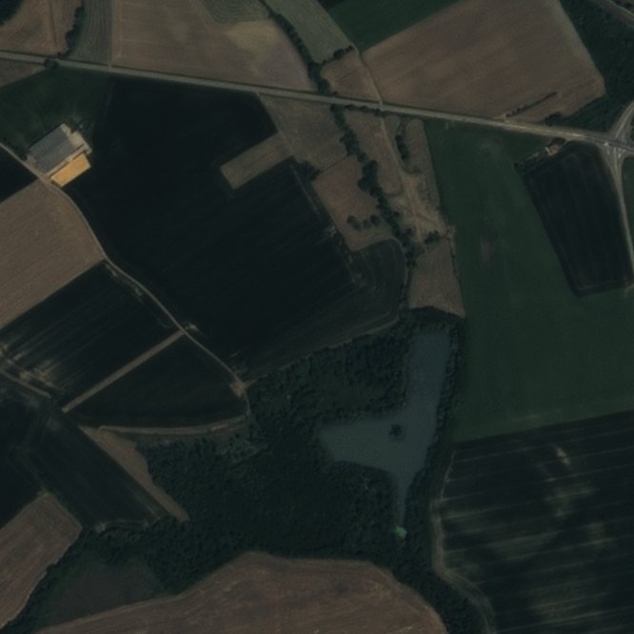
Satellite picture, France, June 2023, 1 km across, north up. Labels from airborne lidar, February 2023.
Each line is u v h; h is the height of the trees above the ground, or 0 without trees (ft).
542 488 0
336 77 0
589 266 0
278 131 0
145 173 0
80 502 0
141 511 0
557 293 0
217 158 0
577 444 0
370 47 0
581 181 0
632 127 0
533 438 0
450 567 0
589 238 0
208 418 0
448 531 0
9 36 0
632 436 0
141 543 40
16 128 0
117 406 0
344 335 0
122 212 0
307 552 44
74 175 0
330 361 68
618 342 0
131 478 0
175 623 0
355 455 0
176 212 0
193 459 71
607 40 21
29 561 0
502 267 0
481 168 0
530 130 0
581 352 0
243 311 0
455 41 0
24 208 0
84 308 0
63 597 0
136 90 0
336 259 0
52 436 0
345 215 0
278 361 0
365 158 56
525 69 0
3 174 0
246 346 0
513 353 0
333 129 0
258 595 0
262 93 0
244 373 0
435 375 0
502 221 0
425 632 0
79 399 0
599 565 0
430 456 33
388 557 56
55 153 0
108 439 0
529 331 0
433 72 0
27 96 0
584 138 0
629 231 0
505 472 0
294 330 0
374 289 0
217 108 0
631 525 0
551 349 0
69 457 0
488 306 0
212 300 0
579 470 0
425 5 0
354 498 36
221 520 74
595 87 0
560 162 0
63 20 0
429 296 0
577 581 0
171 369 0
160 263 0
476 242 0
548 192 0
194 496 58
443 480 0
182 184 0
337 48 0
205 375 0
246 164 0
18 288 0
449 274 0
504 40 0
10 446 0
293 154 0
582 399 0
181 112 0
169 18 0
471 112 0
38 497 0
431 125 0
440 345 0
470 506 0
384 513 71
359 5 0
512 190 0
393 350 96
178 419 0
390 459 0
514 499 0
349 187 0
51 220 0
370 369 92
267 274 0
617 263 0
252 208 0
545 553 0
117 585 0
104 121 0
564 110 0
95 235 0
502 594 0
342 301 0
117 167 0
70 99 0
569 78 0
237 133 0
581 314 0
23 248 0
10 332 0
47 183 0
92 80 0
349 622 0
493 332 0
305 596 0
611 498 0
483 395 0
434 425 0
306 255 0
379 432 0
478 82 0
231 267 0
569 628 0
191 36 0
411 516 59
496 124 0
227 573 0
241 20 0
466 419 0
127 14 0
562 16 0
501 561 0
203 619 0
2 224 0
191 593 0
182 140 0
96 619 0
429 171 0
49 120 0
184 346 0
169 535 22
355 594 0
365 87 0
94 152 0
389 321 0
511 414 0
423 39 0
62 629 0
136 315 0
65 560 31
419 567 56
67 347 0
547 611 0
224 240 0
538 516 0
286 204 0
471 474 0
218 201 0
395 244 0
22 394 0
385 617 0
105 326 0
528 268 0
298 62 0
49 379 0
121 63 0
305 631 0
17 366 0
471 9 0
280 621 0
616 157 0
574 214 0
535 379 0
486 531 0
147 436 0
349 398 0
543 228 0
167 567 61
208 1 0
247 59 0
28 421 0
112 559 50
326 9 0
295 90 0
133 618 0
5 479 0
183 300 0
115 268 0
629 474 0
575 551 0
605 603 0
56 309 0
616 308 0
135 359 0
